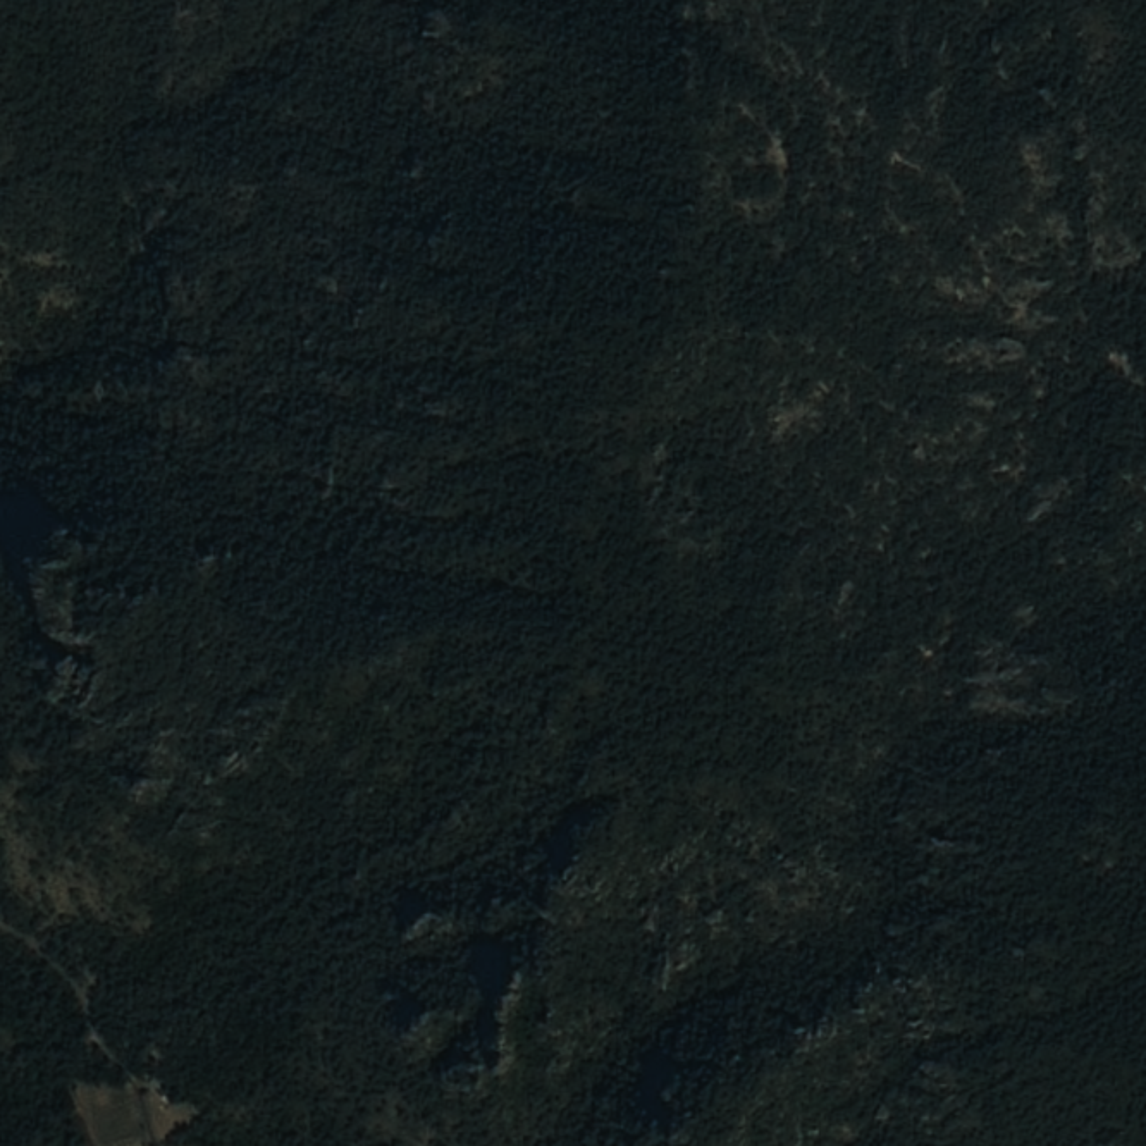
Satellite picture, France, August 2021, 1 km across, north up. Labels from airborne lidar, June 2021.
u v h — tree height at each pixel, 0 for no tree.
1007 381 6
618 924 7
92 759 9
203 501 15
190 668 6
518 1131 8
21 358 7
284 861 10
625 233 6
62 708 9
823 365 7
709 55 9
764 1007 7
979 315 6
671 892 6
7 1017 8
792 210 8
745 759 6
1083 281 9
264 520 9
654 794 8
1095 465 6
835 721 8
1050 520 8
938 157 6
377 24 6
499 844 8
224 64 6
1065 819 9
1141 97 8
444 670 8
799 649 7
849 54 6
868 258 6
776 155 0
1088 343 7
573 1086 7
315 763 9
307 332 11
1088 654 8
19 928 6
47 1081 12
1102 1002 10
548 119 6
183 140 8
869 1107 7
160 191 7
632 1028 11
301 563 7
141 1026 10
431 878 7
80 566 7
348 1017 7
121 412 13
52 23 8
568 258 9
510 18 6
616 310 7
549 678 7
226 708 9
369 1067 9
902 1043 8
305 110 7
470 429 7
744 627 6
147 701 7
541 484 7
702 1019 6
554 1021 6
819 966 8
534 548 7
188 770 6
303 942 7
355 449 8
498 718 11
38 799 11
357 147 8
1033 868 7
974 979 8
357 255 7
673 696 9
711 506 8
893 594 6
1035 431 8
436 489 8
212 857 8
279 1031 8
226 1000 9
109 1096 0
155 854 6
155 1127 0
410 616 7
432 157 8
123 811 10
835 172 5
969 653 6
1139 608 12
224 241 7
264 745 6
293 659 6
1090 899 6
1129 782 6
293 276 5
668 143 6
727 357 7
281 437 10
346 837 8
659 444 10
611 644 7
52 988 12
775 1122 7
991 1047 7
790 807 9
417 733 7
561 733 7
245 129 10
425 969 11
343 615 5
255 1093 10
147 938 7
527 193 7
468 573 9
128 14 6
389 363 8
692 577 6
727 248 9
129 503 10
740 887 9
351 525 8
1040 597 7
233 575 11
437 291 6
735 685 11
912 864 10
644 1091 5
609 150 7
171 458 13
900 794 7
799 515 8
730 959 7
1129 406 6
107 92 11
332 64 6
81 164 10
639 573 6
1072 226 9
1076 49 7
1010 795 9
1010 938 7
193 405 6
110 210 8
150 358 8
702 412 8
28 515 10
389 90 11
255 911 5
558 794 7
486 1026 10
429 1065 8
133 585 7
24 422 6
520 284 8
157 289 7
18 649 10
